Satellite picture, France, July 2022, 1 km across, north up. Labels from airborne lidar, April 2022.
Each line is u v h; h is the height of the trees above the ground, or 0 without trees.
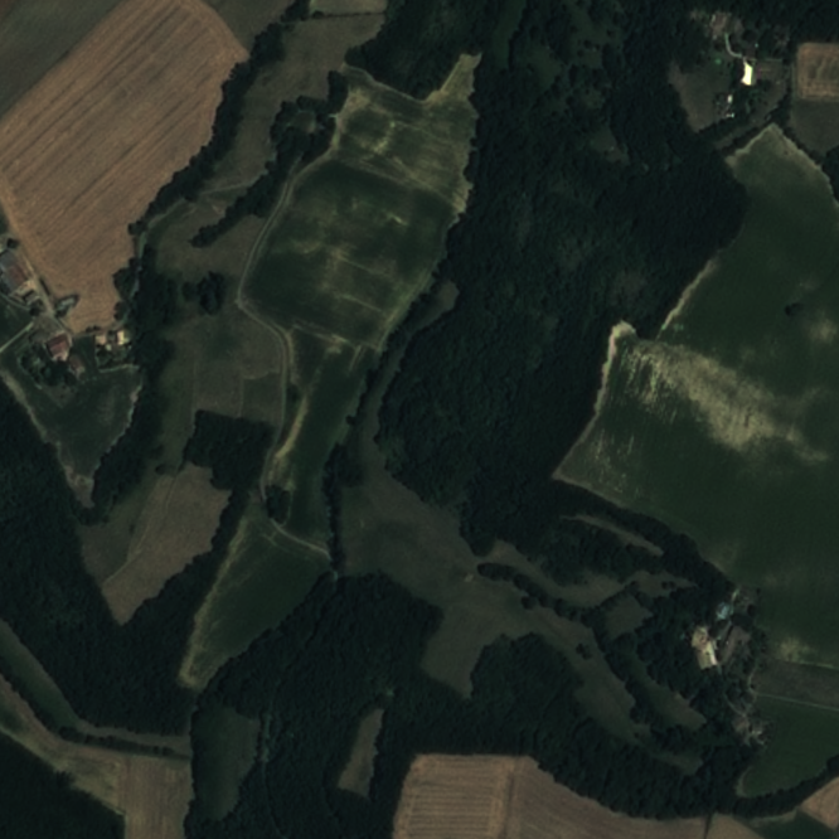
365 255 0
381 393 0
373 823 17
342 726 18
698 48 7
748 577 0
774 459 0
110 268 0
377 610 19
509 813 0
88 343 0
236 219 17
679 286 8
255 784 15
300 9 15
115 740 14
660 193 23
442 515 0
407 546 0
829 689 0
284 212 0
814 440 0
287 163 19
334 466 21
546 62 0
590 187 8
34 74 0
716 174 16
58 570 12
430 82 6
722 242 10
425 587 0
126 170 0
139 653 16
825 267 0
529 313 6
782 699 0
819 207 0
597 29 0
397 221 0
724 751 17
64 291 0
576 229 10
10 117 0
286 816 16
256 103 0
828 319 0
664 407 0
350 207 0
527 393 13
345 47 0
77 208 0
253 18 0
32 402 0
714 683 12
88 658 14
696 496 0
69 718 0
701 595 19
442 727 21
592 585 0
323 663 20
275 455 0
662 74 18
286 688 11
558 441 7
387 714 9
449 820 0
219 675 9
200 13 0
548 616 0
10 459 8
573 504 17
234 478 18
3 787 11
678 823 0
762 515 0
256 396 0
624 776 16
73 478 0
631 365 0
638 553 14
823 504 0
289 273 0
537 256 8
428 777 0
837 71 0
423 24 8
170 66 0
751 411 0
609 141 0
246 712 16
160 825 0
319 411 0
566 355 13
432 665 0
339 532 21
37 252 0
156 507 0
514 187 8
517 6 0
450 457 13
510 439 14
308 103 18
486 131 18
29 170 0
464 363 7
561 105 0
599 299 11
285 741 9
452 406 10
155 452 13
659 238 15
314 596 11
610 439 0
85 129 0
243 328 0
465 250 21
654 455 0
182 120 0
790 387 0
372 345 0
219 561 19
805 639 0
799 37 12
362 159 0
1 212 0
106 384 0
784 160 0
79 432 0
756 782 0
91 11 0
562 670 14
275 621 0
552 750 22
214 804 0
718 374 0
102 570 0
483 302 7
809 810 0
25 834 7
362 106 0
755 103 9
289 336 0
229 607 0
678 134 22
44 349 6
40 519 12
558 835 0
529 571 0
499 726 19
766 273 0
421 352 18
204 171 20
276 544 0
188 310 0
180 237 0
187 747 0
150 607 19
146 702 11
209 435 15
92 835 8
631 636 16
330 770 20
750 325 0
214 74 0
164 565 0
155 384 8
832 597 0
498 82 22
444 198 0
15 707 0
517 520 22
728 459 0
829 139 0
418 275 0
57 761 0
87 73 0
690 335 0
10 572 17
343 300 0
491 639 0
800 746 0
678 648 15
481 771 0
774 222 0
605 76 13
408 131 0
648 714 14
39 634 18
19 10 0
